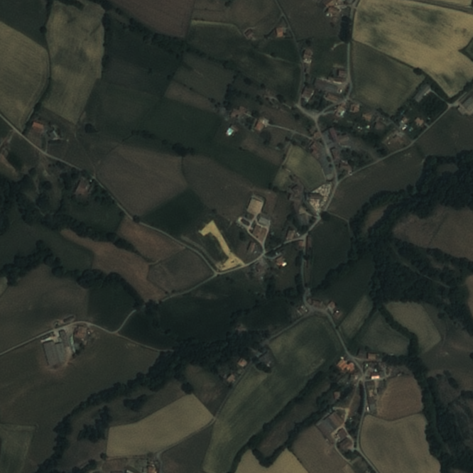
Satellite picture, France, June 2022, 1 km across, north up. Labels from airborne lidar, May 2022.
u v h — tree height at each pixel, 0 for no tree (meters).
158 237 0
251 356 12
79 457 0
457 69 0
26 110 0
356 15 0
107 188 0
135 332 0
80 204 10
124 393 18
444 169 0
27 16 0
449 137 0
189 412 0
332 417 0
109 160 0
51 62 0
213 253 0
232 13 0
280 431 0
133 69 0
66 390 0
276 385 0
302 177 0
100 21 0
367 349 9
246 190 0
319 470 0
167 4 0
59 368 0
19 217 0
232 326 6
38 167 0
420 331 0
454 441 13
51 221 13
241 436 0
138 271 0
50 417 0
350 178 0
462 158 22
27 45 0
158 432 0
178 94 0
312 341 0
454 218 0
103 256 0
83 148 0
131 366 0
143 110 0
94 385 0
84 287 15
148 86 0
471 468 13
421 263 19
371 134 7
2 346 0
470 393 15
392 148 0
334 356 0
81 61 0
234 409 0
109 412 9
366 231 0
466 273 0
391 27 0
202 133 0
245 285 0
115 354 0
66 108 0
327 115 0
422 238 0
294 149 0
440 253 15
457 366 0
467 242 0
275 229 0
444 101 8
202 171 0
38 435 0
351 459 11
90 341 0
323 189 0
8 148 0
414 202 25
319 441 0
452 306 9
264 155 0
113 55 0
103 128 0
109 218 0
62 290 0
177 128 0
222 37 0
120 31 0
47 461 7
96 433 18
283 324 0
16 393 0
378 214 0
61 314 0
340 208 0
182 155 17
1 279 0
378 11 0
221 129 0
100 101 0
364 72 0
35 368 0
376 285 18
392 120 7
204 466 0
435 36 0
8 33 0
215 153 0
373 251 19
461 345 0
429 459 0
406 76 0
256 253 0
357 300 0
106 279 10
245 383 0
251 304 0
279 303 0
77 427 0
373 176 0
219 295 0
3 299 0
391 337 0
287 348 0
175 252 0
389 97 0
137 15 0
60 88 0
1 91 0
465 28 0
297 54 0
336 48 0
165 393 0
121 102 0
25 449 0
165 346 0
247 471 0
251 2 0
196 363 19
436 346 0
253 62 0
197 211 0
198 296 0
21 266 18
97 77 0
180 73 0
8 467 0
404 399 0
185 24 0
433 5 0
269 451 0
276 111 0
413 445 0
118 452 0
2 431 0
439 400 8
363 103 0
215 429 0
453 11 0
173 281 0
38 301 0
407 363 15
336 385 13
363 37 0
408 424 0
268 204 0
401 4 0
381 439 0
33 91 0
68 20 0
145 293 0
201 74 0
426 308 0
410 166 0
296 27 0
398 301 8
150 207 0
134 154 0
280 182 0
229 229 0
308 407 0
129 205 0
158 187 0
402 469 0
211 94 0
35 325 0
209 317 0
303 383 0
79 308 0
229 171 0
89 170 0
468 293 0
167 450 0
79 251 0
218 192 0
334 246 0
